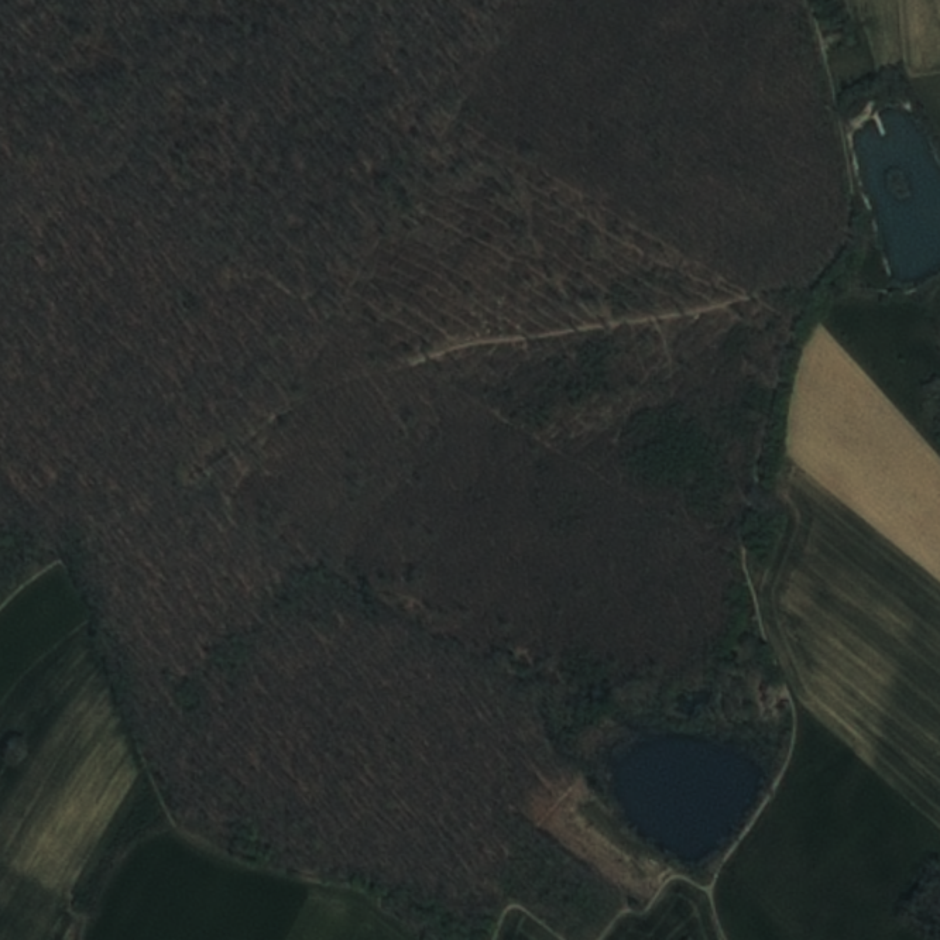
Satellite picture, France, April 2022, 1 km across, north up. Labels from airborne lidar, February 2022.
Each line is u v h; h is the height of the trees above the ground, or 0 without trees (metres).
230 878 0
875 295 9
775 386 27
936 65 0
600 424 0
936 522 0
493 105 13
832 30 7
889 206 0
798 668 0
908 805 0
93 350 24
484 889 29
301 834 29
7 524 28
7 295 26
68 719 0
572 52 13
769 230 14
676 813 0
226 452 0
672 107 16
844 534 0
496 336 0
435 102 27
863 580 0
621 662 17
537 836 34
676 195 18
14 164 26
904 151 0
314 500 0
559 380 9
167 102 29
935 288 17
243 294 21
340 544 0
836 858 0
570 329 0
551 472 9
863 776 0
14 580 21
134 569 0
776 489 13
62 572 0
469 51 31
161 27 27
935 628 0
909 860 0
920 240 0
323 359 16
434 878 27
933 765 0
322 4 29
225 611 26
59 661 0
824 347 0
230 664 25
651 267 13
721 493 14
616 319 0
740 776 0
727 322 0
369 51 28
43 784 0
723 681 21
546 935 0
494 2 28
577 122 14
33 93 27
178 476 25
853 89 8
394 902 10
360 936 0
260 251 24
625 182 16
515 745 0
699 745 0
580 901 19
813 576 0
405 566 8
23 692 0
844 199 14
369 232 27
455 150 0
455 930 22
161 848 0
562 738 18
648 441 7
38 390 23
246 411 26
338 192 28
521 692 23
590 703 22
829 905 0
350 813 31
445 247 0
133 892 0
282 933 0
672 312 0
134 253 24
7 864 0
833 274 16
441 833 28
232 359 27
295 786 29
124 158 28
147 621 29
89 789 0
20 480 0
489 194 6
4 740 0
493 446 9
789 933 0
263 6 8
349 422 11
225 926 0
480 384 7
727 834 0
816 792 0
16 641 0
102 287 25
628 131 17
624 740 0
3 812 0
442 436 14
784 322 12
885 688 0
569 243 6
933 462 0
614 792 0
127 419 27
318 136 26
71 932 0
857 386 0
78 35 30
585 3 13
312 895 0
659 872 0
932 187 0
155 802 0
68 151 25
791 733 10
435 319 31
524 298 0
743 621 11
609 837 0
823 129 16
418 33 31
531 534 13
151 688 25
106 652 19
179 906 0
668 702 19
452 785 28
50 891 0
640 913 17
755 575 0
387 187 27
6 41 31
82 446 0
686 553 0
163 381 27
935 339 0
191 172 29
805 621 0
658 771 0
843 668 0
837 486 0
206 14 28
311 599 23
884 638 0
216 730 30
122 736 0
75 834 0
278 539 23
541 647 11
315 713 28
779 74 18
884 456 0
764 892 0
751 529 19
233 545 0
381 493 0
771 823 0
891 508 0
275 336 25
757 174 15
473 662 24
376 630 26
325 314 22
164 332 25
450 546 12
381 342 8
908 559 0
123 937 0
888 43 0
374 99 28
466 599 13
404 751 28
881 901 0
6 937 0
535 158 31
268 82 30
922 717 0
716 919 0
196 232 25
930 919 13
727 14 13
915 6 0
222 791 30
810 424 0
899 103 10
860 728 0
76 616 0
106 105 31
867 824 0
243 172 30
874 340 0
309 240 25
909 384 0
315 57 29
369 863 26
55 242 25
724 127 17
